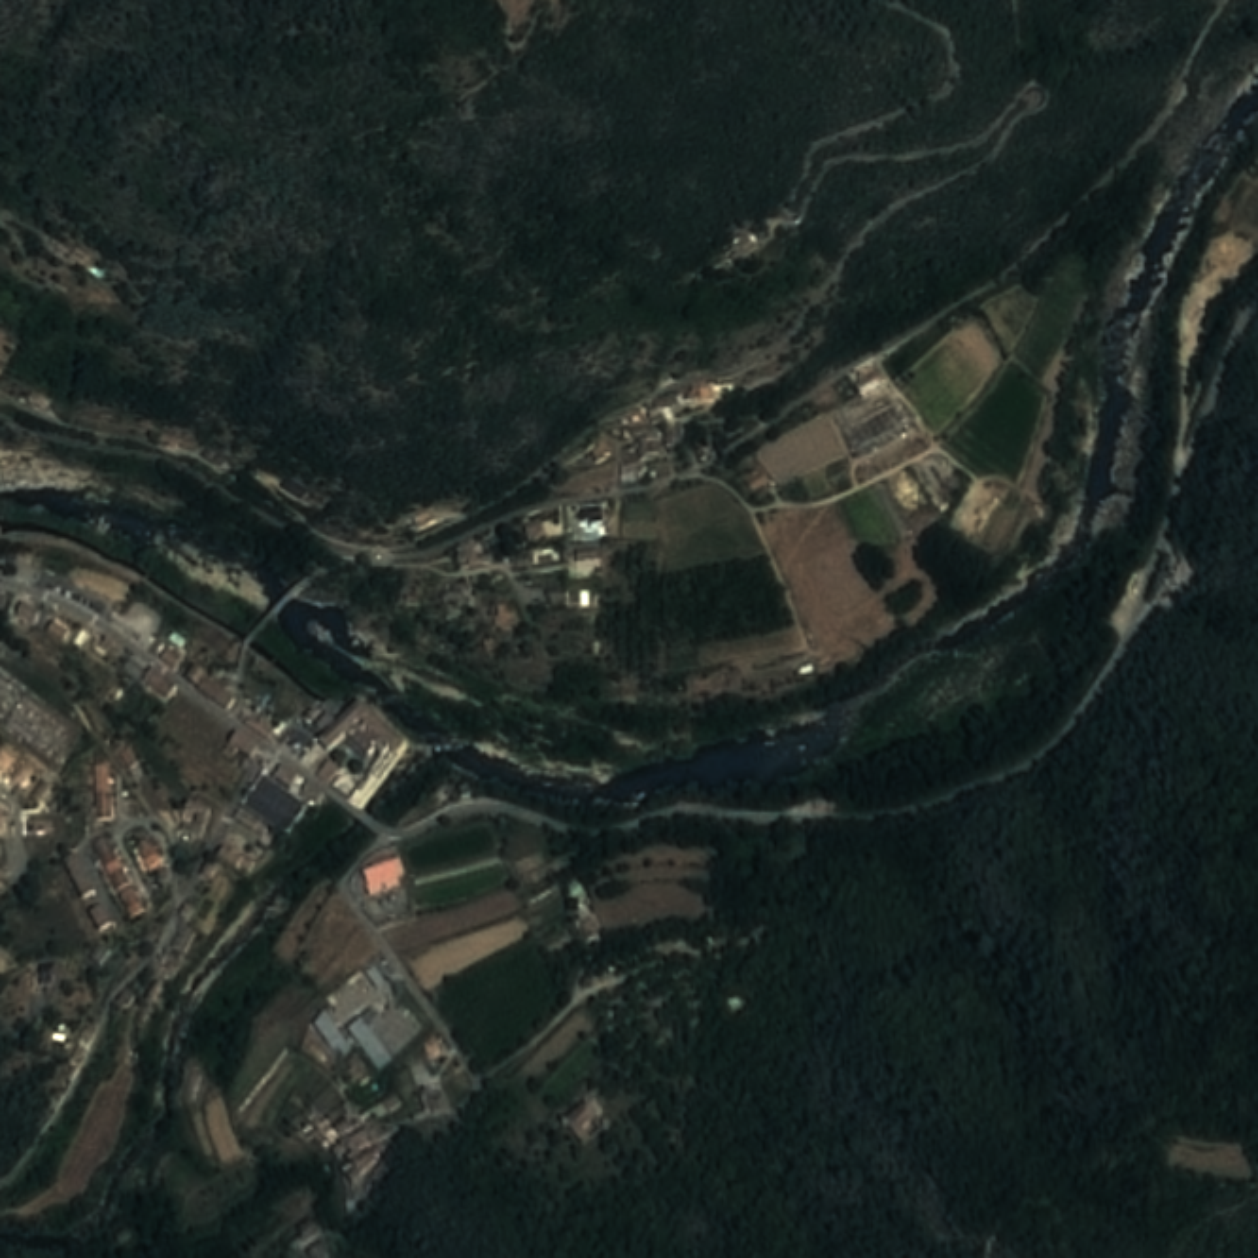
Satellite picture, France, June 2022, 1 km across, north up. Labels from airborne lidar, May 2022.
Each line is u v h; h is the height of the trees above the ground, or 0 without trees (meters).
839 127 6
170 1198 8
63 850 11
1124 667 15
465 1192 13
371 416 8
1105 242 12
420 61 11
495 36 6
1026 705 14
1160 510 12
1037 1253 11
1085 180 14
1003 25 8
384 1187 11
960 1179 11
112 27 6
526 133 8
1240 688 8
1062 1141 10
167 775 0
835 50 6
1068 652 30
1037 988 15
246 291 9
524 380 11
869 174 8
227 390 6
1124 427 0
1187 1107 13
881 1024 7
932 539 15
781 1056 12
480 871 0
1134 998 12
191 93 6
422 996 0
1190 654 11
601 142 10
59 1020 12
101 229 9
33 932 0
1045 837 16
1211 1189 8
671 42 12
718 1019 12
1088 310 9
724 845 18
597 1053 8
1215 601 14
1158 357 10
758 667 0
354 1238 9
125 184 17
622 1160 9
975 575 20
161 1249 9
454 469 11
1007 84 9
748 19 8
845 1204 9
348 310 11
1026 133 9
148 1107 18
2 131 9
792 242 6
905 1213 10
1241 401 7
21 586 0
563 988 9
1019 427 0
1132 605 0
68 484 0
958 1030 11
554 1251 12
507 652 9
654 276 9
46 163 6
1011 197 8
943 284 14
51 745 0
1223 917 14
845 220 8
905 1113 7
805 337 10
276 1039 0
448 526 7
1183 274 7
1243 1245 9
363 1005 0
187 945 0
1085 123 10
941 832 18
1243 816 15
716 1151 10
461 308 7
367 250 9
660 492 0
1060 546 0
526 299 7
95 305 0
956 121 7
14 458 0
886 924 10
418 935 0
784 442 0
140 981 9
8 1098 8
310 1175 12
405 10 7
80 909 0
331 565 16
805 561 0
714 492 0
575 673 11
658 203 8
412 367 10
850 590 0
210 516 10
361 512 7
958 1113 13
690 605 9
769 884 15
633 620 13
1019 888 8
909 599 12
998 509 0
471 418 6
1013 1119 12
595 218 12
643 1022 10
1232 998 18
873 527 0
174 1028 0
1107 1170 13
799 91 8
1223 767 13
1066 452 12
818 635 0
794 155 10
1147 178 11
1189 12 7
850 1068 10
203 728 0
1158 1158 7
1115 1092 11
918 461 0
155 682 0
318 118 6
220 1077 6
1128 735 9
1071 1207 13
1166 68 8
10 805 0
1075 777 12
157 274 7
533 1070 0
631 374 10
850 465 0
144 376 7
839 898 14
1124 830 8
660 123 8
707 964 11
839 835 19
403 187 11
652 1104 12
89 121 10
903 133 9
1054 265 11
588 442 6
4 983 12
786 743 0
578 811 16
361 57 16
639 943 8
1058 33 9
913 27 7
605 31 6
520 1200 10
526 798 13
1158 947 12
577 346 6
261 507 8
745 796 25
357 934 0
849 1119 9
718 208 11
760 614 6
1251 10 10
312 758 0
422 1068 0
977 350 0
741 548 0
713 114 9
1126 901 18
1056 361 0
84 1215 11
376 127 6
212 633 0
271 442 9
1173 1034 17
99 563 0
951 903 14
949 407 0
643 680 8
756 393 12
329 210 6
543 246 14
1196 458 11
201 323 12
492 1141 8
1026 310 0
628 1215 8
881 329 14
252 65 13
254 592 0
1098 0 9
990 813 13
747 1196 7
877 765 21
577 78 7
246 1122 0
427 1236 10
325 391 8
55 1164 12
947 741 25
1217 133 0
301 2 11
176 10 6
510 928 0
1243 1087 12
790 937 13
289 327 12
